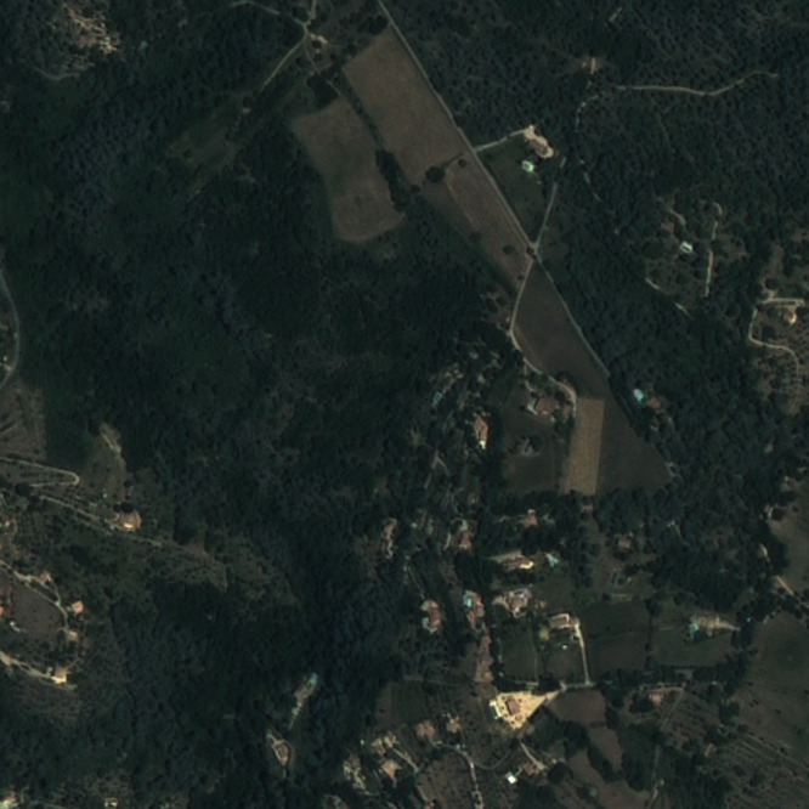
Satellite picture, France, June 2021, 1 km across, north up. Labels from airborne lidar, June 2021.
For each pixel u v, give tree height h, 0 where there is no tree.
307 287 7
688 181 10
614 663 0
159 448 15
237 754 9
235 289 9
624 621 0
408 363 10
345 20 6
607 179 18
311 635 19
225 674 9
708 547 8
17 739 19
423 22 16
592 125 6
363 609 20
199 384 10
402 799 13
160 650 21
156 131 20
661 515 19
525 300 0
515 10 7
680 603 14
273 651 6
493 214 0
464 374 7
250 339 17
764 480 14
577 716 0
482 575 11
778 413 18
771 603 13
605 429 0
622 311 13
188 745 17
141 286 8
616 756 0
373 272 10
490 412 10
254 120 10
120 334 14
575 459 0
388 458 8
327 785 9
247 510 22
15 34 17
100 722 5
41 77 6
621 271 12
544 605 0
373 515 12
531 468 0
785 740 0
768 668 0
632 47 6
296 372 8
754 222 14
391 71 0
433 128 0
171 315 7
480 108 8
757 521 7
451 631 11
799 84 18
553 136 17
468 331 7
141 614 10
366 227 0
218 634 21
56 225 16
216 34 11
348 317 9
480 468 11
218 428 15
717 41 11
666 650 0
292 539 14
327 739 11
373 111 0
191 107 11
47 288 16
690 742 9
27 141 8
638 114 7
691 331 11
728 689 11
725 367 11
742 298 15
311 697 9
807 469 7
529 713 0
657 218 9
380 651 18
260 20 18
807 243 9
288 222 11
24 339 6
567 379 6
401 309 8
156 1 11
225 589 6
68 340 24
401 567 16
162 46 13
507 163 0
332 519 9
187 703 16
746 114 9
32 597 0
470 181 0
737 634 13
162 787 18
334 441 11
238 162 8
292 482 19
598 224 13
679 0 12
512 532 13
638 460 0
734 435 14
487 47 9
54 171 7
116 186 7
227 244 7
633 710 11
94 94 16
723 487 15
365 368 8
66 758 12
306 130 0
